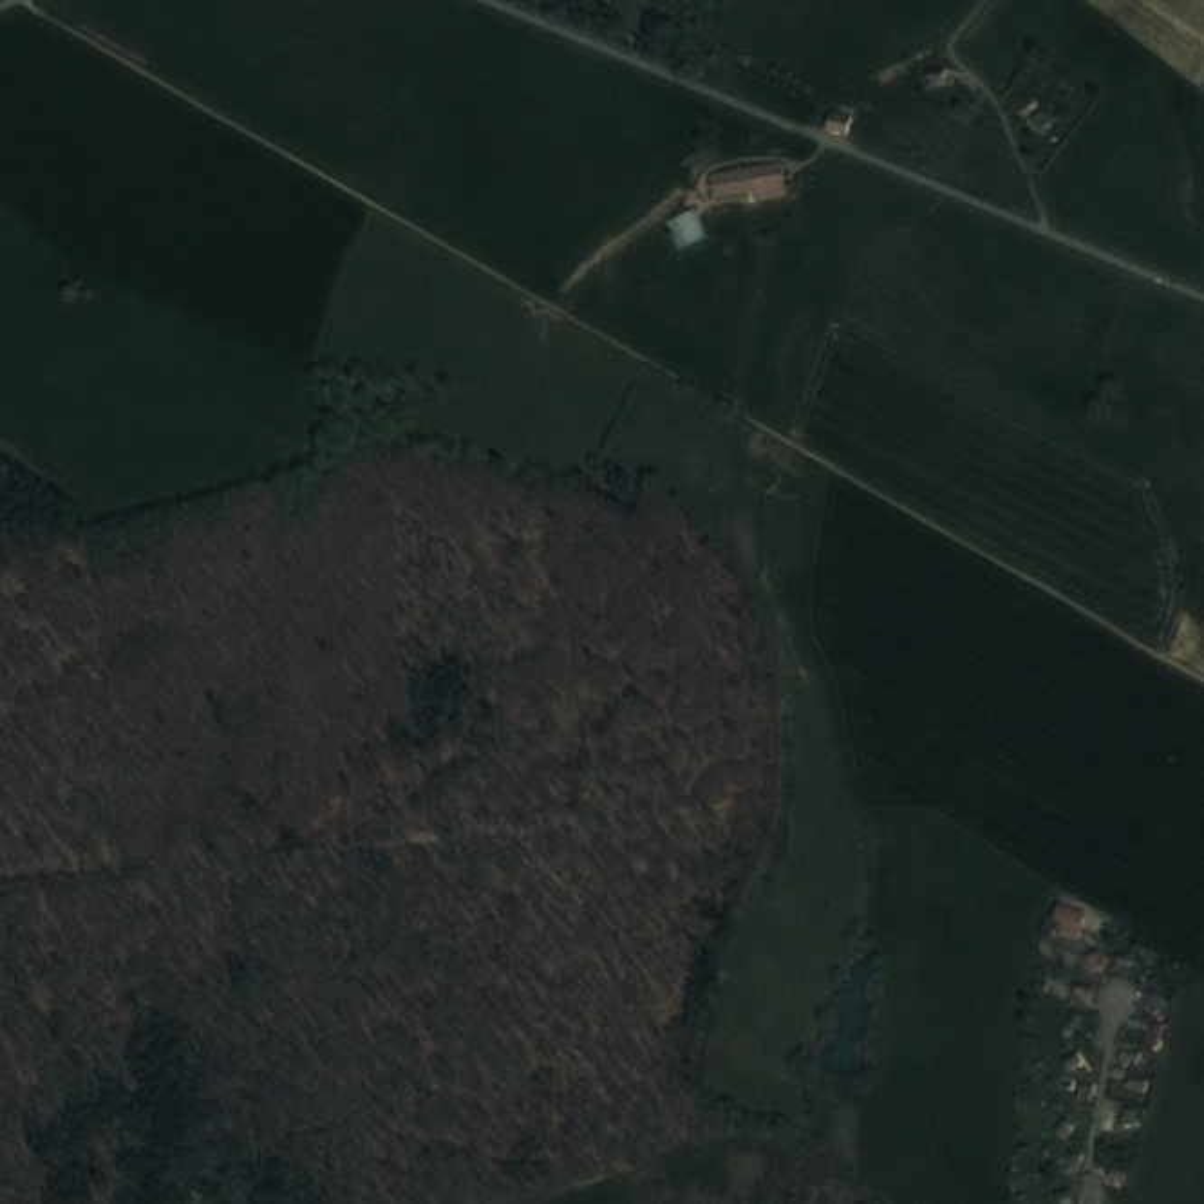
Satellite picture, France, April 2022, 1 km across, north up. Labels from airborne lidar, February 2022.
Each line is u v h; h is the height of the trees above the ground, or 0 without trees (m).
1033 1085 8
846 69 0
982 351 0
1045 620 0
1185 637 0
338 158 0
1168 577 0
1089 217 0
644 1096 31
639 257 0
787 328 0
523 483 14
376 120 0
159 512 12
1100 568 0
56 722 27
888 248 0
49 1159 30
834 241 0
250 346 0
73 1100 6
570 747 20
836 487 0
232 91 0
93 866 28
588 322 0
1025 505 0
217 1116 26
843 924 0
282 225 0
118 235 0
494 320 0
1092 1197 0
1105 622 0
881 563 0
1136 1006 0
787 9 0
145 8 0
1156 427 0
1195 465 0
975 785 0
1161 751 0
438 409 18
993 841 0
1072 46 0
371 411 18
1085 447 0
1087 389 0
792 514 0
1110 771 0
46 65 0
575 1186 24
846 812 0
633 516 16
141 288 0
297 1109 30
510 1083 29
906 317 0
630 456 0
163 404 0
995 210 0
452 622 21
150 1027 24
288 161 0
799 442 0
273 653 0
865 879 0
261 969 26
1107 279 0
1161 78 0
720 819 25
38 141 0
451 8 0
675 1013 29
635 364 0
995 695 0
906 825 0
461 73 0
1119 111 0
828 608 0
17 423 0
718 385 0
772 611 0
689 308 0
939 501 0
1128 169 0
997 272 0
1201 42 0
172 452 0
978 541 0
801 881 0
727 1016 0
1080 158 0
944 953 0
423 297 0
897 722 0
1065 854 0
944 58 0
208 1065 21
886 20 0
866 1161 0
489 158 0
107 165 0
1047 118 0
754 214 0
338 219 0
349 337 0
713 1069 0
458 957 25
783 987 0
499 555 0
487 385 0
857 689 0
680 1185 0
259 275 0
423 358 0
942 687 0
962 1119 0
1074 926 0
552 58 0
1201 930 0
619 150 0
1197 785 0
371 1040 30
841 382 0
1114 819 0
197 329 0
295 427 0
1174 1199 0
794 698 0
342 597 0
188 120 0
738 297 0
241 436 0
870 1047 17
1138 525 0
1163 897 0
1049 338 0
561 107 0
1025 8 0
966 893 0
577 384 0
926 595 0
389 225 0
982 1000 0
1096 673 0
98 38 0
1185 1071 0
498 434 0
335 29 0
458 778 0
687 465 0
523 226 0
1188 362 0
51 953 27
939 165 0
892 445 0
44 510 26
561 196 0
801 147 0
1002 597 0
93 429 0
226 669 20
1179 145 0
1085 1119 0
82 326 0
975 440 0
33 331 0
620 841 26
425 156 0
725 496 0
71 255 0
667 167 0
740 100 0
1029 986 0
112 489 0
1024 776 0
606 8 11
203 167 0
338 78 0
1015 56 0
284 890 27
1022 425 0
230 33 0
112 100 0
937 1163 0
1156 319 0
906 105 0
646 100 0
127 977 27
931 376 0
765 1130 17
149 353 0
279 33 0
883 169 0
